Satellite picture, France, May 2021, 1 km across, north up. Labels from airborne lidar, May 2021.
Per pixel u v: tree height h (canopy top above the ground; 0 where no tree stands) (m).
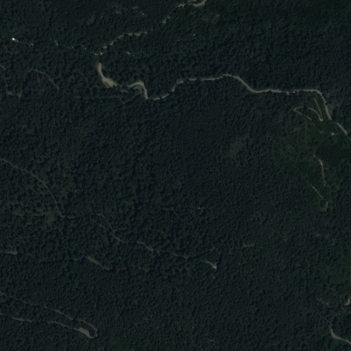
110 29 22
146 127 16
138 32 28
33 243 29
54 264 29
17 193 25
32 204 18
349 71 20
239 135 22
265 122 17
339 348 16
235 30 26
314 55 28
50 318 27
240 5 11
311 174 8
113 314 21
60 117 23
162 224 30
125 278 27
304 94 17
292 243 13
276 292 30
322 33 25
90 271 30
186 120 24
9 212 17
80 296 26
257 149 19
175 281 29
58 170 32
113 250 26
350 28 13
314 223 8
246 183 21
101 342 25
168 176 26
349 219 22
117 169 25
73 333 25
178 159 18
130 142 28
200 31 20
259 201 16
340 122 9
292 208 12
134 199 36
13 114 26
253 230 21
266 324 32
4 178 10
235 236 20
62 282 27
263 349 24
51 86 11
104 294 31
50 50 33
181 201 27
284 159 8
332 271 22
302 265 24
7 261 26
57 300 27
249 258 19
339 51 13
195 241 27
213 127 23
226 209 16
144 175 35
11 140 28
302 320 18
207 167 22
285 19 25
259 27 24
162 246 30
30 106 23
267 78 22
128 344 17
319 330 26
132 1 18
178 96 28
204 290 22
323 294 17
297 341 22
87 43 15
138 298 32
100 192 26
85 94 21
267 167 19
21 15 21
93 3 19
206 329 23
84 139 23
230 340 14
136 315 25
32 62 23
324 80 19
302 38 10
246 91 22
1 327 28
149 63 38
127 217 34
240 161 21
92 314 19
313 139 10
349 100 23
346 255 18
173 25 25
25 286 27
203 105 23
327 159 8
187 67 27
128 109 14
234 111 26
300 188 10
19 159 24
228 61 24
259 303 32
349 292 15
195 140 23
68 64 21
